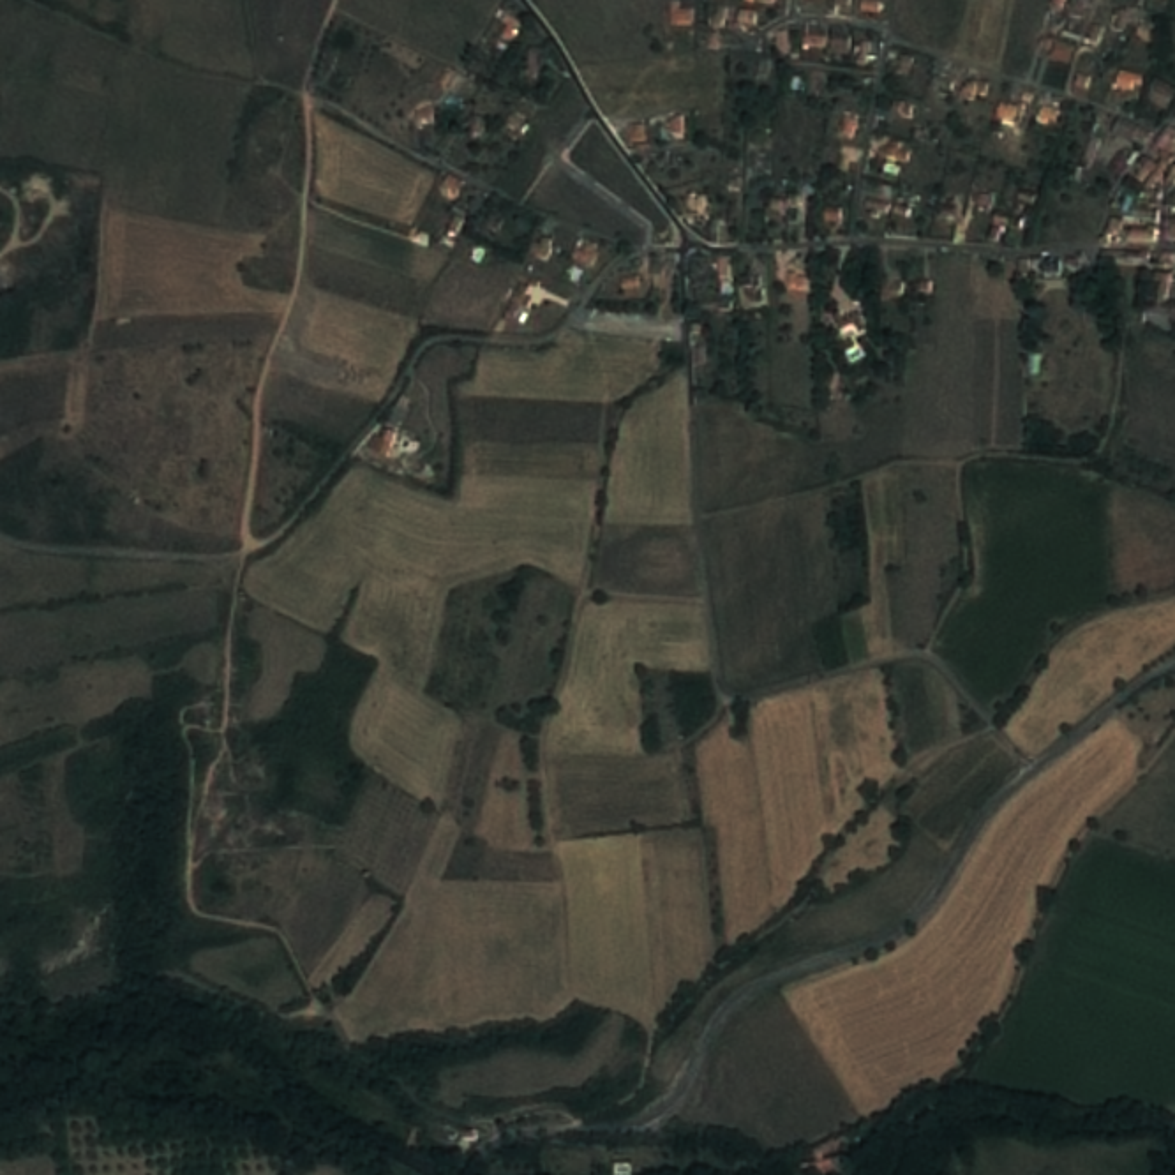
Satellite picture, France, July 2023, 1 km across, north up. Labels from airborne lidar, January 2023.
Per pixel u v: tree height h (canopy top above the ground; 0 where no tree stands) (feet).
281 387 0
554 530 0
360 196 0
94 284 0
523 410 0
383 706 0
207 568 0
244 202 0
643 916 0
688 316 39
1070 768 0
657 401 0
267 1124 65
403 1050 51
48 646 0
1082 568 0
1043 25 0
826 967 0
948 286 0
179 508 0
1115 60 38
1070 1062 0
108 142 0
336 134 0
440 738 0
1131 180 33
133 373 0
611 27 0
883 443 0
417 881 0
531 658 0
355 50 0
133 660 0
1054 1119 68
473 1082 0
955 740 0
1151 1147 0
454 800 0
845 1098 0
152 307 0
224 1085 0
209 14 0
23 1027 46
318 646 0
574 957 0
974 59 0
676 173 21
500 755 0
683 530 0
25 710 0
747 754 0
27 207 0
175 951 24
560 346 0
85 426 0
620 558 0
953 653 0
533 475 0
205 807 0
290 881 0
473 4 0
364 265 0
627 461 0
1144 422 0
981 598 0
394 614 0
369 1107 0
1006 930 0
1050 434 33
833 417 0
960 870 0
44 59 0
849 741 0
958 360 0
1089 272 30
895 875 0
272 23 0
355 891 0
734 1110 0
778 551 0
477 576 0
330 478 20
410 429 0
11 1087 52
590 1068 0
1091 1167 0
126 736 20
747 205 21
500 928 0
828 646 0
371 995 0
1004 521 0
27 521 0
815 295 34
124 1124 30
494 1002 0
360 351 0
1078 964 0
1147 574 0
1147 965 0
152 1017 76
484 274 0
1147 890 0
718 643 0
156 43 0
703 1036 0
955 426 0
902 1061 0
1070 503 0
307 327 0
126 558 0
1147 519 0
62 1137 27
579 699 0
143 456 0
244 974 0
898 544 0
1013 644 0
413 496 0
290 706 27
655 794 0
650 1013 0
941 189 43
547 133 0
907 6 0
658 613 0
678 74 0
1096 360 0
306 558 0
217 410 0
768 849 0
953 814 0
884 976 0
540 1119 34
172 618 0
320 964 0
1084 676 0
